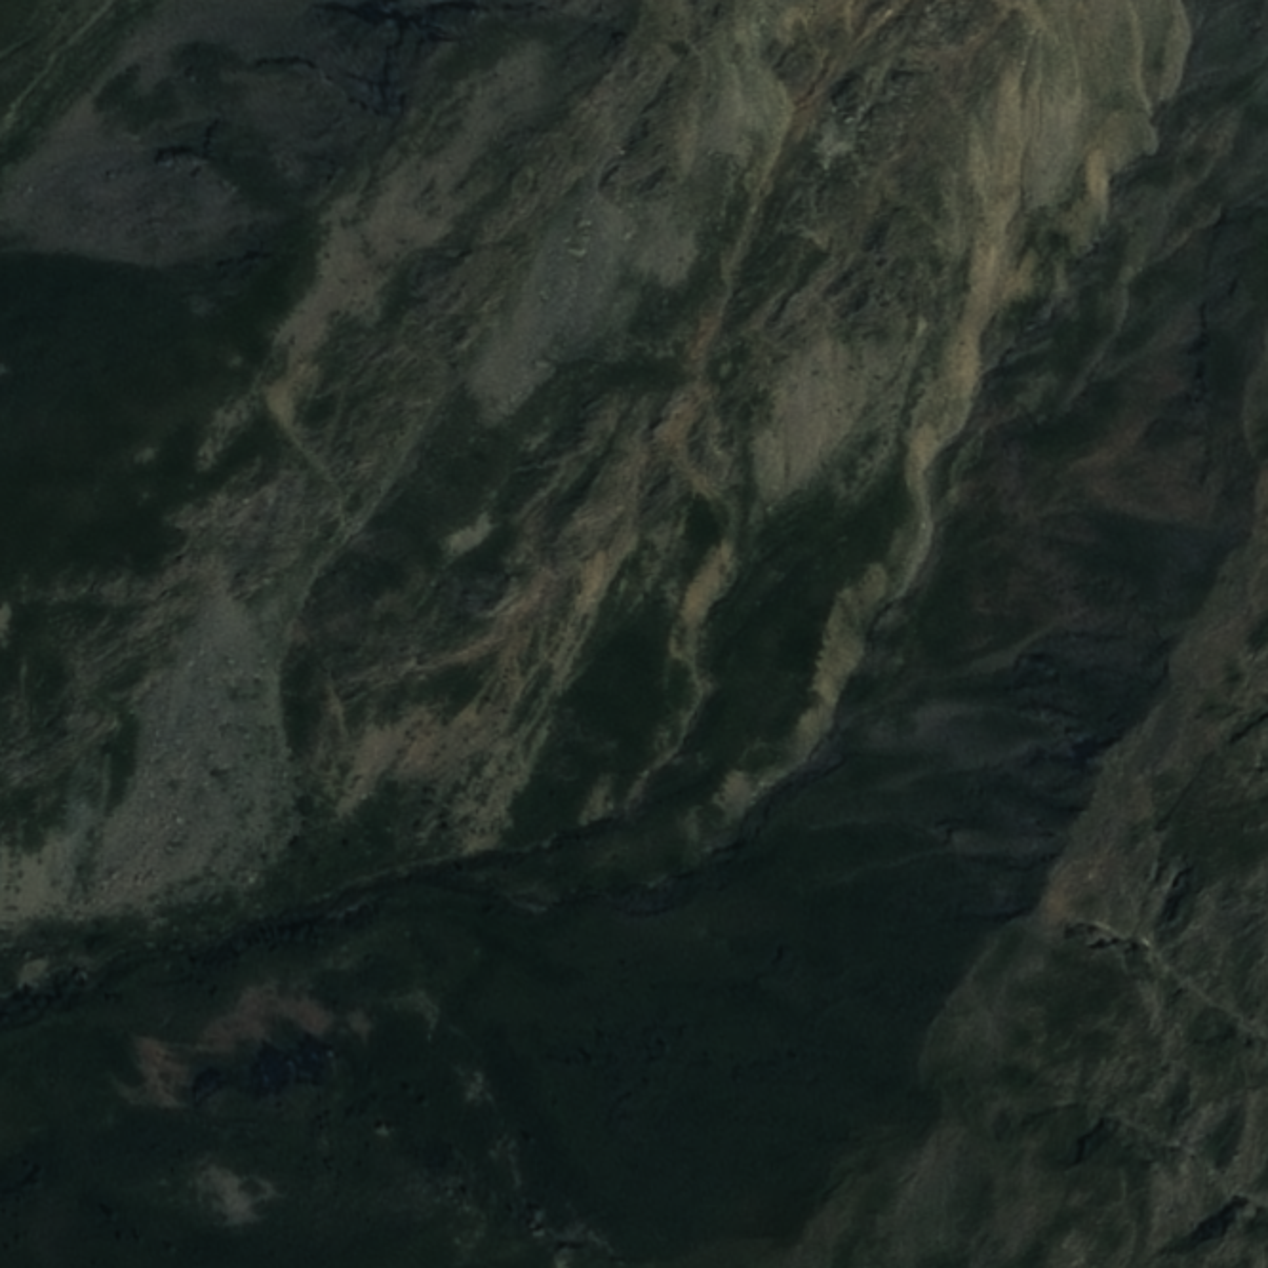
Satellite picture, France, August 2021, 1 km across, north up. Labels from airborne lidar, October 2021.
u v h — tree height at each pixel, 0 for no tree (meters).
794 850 0
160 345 0
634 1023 0
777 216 0
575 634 0
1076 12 0
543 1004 0
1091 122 0
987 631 0
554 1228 0
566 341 0
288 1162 0
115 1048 0
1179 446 0
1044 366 0
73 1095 0
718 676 0
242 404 0
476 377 0
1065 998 0
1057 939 0
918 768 0
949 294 0
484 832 0
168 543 0
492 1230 0
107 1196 0
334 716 0
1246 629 0
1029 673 0
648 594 0
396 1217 0
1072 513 0
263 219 0
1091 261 0
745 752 0
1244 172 0
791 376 0
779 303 0
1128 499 0
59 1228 0
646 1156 0
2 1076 0
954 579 0
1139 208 0
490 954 0
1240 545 0
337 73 0
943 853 0
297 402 0
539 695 0
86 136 0
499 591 0
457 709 0
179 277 0
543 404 0
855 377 0
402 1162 0
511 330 0
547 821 0
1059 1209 0
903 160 0
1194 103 0
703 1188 0
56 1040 0
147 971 0
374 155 0
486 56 0
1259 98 0
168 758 0
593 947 0
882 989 0
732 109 0
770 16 0
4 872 0
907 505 0
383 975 0
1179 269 0
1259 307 0
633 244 0
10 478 0
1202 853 0
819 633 0
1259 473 0
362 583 0
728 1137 0
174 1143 0
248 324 0
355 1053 0
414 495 0
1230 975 0
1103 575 0
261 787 0
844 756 0
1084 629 0
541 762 0
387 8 0
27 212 0
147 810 0
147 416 0
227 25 0
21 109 0
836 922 0
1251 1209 8
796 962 0
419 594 0
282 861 0
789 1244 0
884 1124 0
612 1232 0
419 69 0
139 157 0
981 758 0
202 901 0
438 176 0
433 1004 0
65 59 0
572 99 0
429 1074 0
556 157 0
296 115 0
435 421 0
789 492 0
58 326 0
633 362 0
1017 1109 0
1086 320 0
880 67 0
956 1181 0
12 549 0
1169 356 0
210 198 0
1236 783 0
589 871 0
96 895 0
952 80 0
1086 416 0
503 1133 0
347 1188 0
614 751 0
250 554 0
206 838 0
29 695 0
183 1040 0
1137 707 0
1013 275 0
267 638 0
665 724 0
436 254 0
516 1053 0
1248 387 0
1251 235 0
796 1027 0
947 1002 0
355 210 0
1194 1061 0
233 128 0
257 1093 0
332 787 0
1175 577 0
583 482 0
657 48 0
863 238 0
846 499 0
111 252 0
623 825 0
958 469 0
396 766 0
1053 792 0
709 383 0
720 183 0
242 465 0
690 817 0
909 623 0
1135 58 0
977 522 0
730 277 0
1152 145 0
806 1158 0
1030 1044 0
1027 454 0
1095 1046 0
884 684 0
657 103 0
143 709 0
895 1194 0
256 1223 0
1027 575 0
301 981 0
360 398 0
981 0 0
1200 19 0
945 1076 0
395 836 0
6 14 0
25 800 0
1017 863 0
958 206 0
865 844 0
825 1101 0
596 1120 0
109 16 0
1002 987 0
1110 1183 0
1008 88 0
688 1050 0
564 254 0
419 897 0
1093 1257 0
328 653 0
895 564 0
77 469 0
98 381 0
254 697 0
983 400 0
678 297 0
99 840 0
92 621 0
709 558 0
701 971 0
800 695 0
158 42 0
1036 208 0
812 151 0
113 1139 0
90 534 0
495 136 0
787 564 0
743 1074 0
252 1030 0
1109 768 0
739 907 0
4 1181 0
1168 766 0
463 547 0
